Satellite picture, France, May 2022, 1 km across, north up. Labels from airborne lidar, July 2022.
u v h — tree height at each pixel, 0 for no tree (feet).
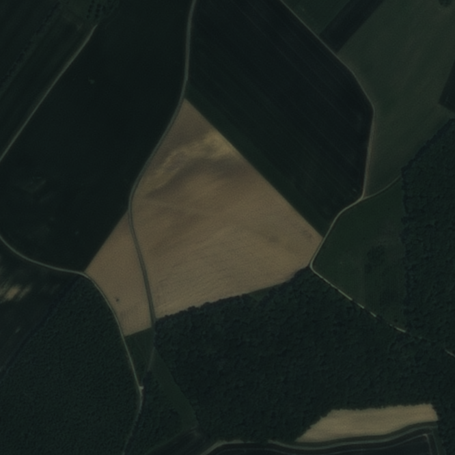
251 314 93
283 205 0
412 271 68
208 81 0
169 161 0
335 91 0
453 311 83
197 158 0
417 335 70
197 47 0
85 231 0
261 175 0
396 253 0
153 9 0
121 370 61
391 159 0
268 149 0
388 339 82
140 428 64
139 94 0
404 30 0
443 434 56
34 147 0
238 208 0
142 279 0
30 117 0
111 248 0
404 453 0
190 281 0
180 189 0
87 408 61
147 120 0
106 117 0
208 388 52
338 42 0
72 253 0
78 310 68
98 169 0
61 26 0
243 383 93
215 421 88
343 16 0
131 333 0
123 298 0
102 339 62
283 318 92
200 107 0
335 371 96
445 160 77
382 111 0
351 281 0
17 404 60
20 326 0
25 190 0
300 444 0
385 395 86
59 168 0
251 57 0
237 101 0
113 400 59
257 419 89
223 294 0
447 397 78
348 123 0
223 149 0
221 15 0
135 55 0
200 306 0
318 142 0
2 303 0
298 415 79
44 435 61
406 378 87
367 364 96
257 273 0
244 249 0
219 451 0
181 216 0
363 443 0
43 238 0
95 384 61
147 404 66
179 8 0
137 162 0
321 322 95
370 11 0
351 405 75
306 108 0
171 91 0
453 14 0
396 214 0
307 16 0
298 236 0
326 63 0
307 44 0
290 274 0
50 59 0
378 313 0
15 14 0
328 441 0
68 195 0
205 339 83
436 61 0
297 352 106
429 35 0
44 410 57
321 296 87
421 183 80
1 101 0
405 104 0
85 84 0
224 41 0
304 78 0
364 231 0
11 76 25
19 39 0
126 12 0
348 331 81
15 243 0
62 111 0
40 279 0
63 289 0
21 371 68
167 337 88
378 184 0
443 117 0
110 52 0
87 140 0
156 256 0
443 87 0
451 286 80
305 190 0
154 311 0
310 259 0
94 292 56
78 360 66
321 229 0
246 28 0
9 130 0
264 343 96
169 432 80
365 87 0
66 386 66
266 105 0
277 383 88
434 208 74
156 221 0
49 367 59
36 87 0
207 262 0
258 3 0
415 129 0
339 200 0
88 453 62
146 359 0
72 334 59
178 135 0
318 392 91
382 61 0
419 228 68
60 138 0
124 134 0
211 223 0
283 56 0
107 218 0
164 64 0
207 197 0
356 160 0
